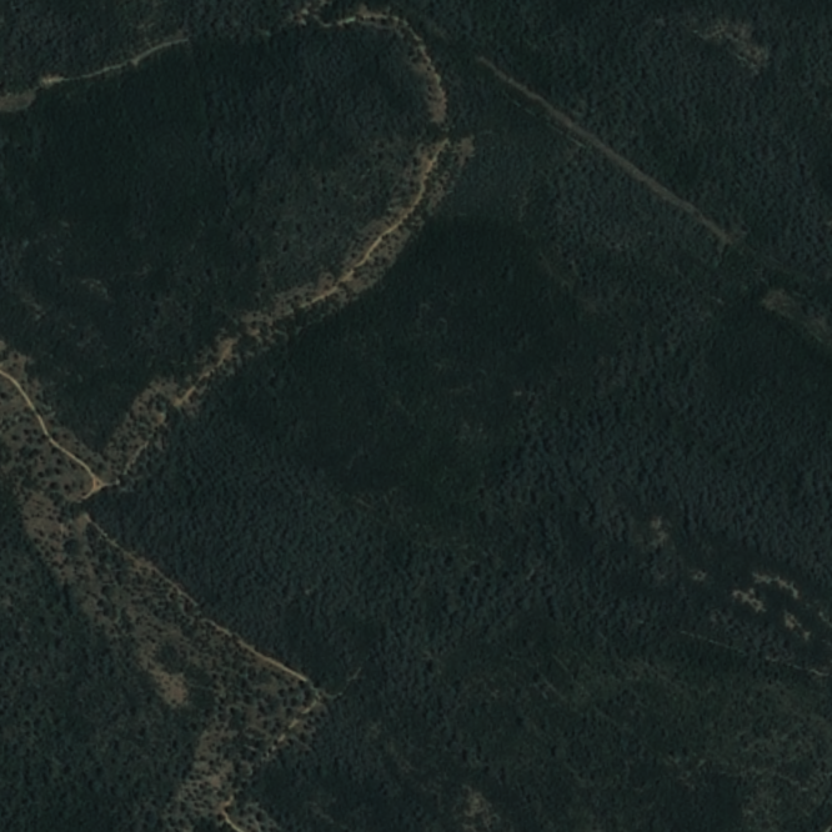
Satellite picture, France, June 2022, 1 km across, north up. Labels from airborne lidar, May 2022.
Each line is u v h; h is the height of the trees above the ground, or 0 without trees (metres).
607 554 12
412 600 19
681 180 14
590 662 7
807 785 13
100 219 7
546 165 10
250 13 20
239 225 6
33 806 7
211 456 18
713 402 10
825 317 17
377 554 7
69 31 14
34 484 6
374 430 12
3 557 19
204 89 6
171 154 8
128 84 8
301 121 19
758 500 22
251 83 13
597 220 18
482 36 17
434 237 10
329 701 20
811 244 19
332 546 19
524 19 21
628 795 8
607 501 22
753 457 14
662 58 21
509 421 10
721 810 9
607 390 15
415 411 7
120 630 7
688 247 8
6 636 11
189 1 7
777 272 8
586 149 7
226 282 6
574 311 7
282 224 6
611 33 13
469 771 7
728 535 17
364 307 9
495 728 8
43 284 7
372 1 16
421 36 9
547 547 18
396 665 19
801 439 17
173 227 8
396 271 7
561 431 18
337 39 17
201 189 7
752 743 12
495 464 6
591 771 8
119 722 18
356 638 8
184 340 18
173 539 9
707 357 6
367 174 7
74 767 12
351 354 8
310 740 19
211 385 8
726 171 17
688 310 17
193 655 7
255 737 6
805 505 15
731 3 19
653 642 10
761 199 10
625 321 13
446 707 16
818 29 19
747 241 9
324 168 9
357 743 15
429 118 8
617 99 16
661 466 20
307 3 19
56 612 10
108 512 18
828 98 12
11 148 9
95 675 12
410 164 17
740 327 8
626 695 11
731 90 16
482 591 7
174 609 11
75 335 6
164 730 10
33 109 11
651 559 7
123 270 6
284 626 11
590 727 13
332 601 19
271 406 7
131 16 6
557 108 9
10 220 9
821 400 8
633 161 9
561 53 17
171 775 18
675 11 9
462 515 7
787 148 18
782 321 7
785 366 6
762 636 21
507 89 8
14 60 10
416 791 7
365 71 16
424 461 7
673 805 6
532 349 8
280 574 20
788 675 7
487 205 8
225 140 19
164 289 8
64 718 6
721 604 7
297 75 16
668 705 11
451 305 6
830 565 16
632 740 6
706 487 22
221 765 17
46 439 16
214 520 20
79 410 11
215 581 16
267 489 18
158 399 12
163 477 14
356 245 7
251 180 11
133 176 9
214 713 17
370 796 8
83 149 7
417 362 6
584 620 21
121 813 6
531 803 13
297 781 14
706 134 12
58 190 7
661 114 11
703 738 7
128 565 18
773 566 6
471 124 17
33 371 7
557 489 16
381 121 22
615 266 11
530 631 7
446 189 11
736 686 8
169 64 7
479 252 6
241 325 10
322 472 16
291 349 8
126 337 6
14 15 15
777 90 16
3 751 6
